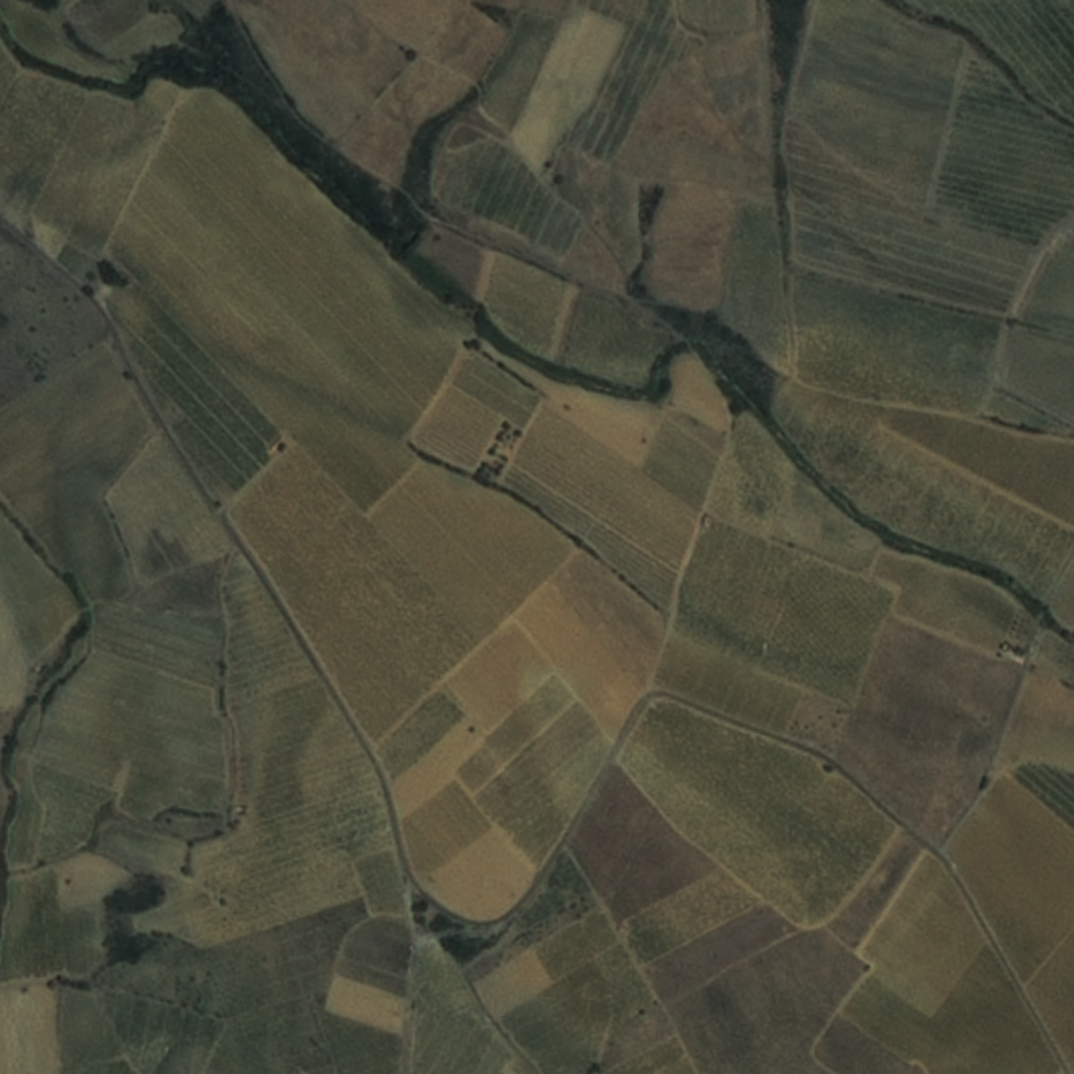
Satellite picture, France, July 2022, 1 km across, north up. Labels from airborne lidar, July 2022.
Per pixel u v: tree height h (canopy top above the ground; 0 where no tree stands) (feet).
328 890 0
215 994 0
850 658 0
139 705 0
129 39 0
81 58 0
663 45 0
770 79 0
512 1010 0
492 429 0
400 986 0
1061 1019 0
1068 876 0
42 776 0
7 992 0
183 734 0
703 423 0
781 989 0
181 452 0
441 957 0
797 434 0
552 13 0
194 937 0
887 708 0
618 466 0
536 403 0
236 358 0
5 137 0
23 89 0
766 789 0
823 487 18
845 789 0
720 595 0
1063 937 0
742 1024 0
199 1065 0
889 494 0
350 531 0
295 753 0
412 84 0
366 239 0
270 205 0
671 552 0
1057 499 0
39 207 0
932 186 0
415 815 0
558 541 0
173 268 0
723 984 0
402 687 0
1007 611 0
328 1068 0
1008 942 0
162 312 0
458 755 0
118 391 0
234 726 0
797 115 0
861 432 0
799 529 0
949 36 0
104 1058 0
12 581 0
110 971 0
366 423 0
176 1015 0
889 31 0
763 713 0
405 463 0
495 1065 0
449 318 0
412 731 0
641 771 0
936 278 0
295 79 0
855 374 0
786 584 0
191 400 0
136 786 0
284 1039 0
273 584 0
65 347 0
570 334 0
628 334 0
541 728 0
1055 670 0
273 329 0
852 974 0
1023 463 0
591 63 0
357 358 0
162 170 0
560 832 0
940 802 0
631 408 0
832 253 0
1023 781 0
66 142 0
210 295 0
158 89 0
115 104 0
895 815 0
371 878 0
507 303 0
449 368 0
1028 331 0
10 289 0
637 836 0
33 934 0
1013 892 0
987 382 0
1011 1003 0
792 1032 0
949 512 0
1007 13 0
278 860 0
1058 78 0
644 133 0
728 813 0
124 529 0
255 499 0
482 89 0
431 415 0
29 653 0
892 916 0
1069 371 0
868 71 0
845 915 0
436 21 0
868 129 0
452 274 0
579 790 0
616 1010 0
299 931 0
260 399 0
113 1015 0
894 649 0
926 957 0
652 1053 0
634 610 0
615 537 0
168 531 0
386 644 0
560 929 0
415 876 0
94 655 0
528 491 0
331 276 0
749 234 0
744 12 0
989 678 0
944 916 0
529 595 0
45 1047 0
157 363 0
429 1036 0
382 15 0
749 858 0
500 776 0
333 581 0
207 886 0
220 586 0
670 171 0
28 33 0
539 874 0
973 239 0
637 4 0
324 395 0
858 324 0
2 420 0
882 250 0
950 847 0
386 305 0
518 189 0
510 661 0
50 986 22
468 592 0
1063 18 0
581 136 0
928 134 0
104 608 0
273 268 0
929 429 0
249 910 0
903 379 0
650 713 0
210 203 0
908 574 0
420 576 0
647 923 0
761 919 0
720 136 0
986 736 0
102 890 0
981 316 0
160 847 0
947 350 0
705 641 0
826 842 0
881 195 0
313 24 0
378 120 0
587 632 0
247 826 0
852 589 0
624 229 0
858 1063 0
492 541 0
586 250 0
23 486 0
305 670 0
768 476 0
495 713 0
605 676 0
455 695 0
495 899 0
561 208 0
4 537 0
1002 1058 0
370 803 0
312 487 0
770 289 0
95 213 0
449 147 0
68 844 0
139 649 0
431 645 0
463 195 0
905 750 0
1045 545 0
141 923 0
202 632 0
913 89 0
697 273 0
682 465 0
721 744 0
